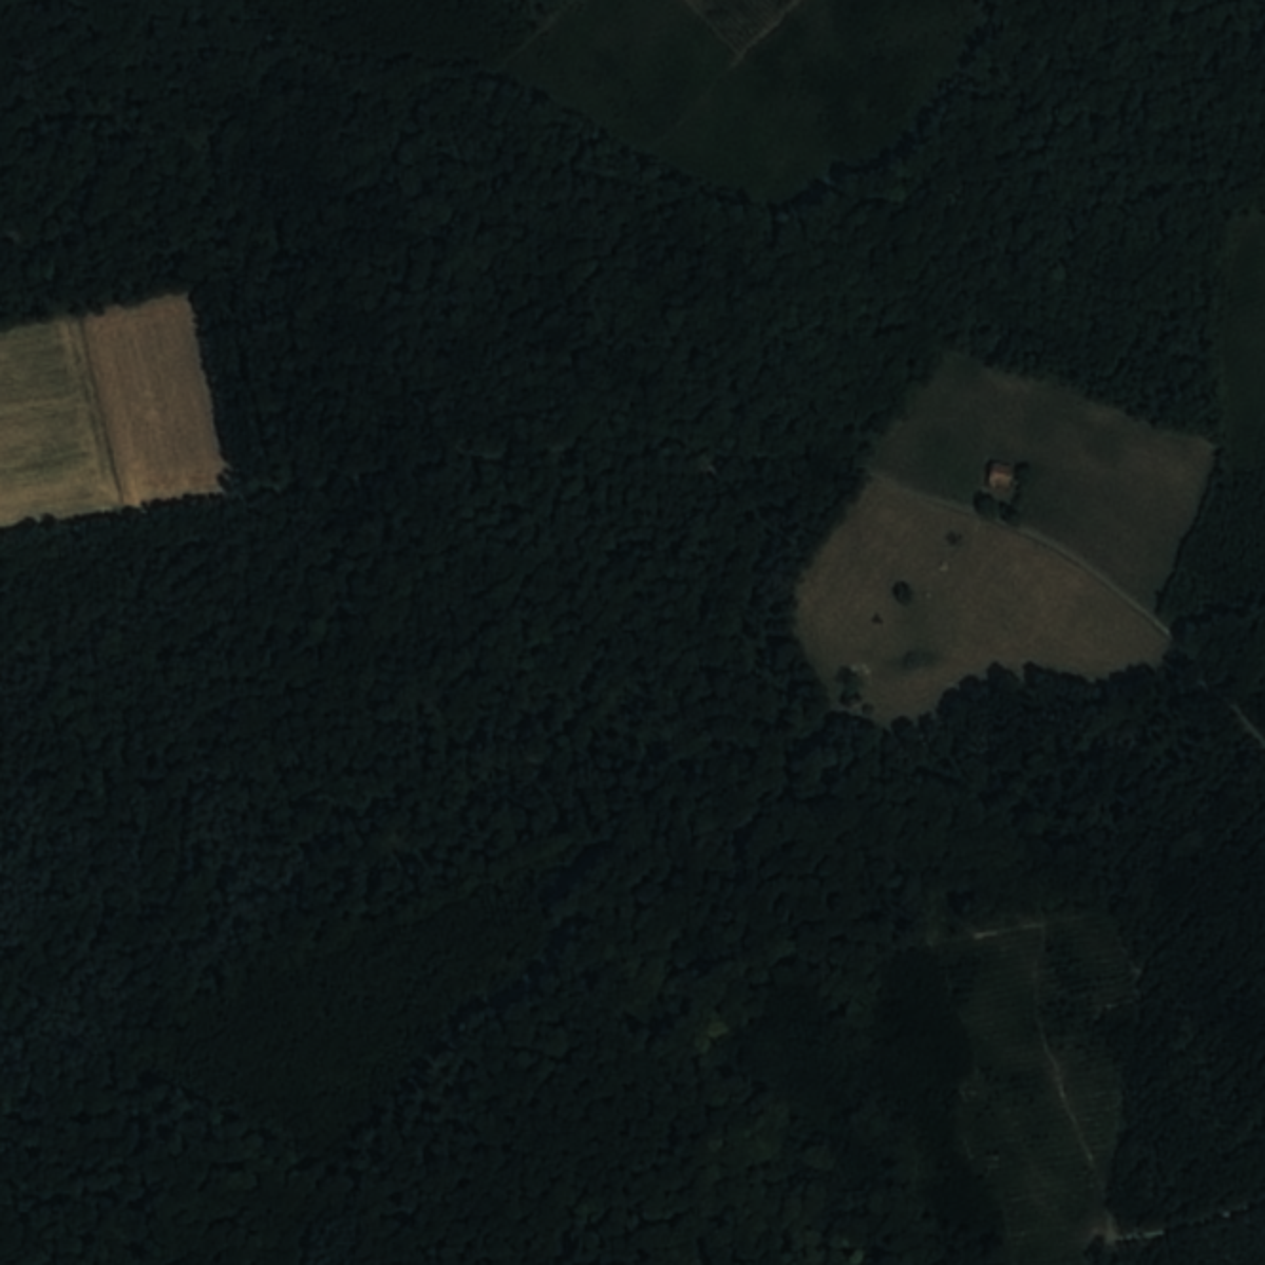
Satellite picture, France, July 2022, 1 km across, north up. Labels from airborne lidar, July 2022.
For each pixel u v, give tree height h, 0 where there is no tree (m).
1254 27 24
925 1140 7
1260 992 17
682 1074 29
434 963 10
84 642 12
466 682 27
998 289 24
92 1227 29
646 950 32
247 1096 10
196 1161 31
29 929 25
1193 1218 14
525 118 29
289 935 34
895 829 33
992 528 0
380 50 15
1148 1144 21
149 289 19
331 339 28
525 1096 29
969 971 8
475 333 29
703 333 21
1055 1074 0
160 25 30
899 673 0
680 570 25
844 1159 22
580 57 0
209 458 0
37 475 0
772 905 30
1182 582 8
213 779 11
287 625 27
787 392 25
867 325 23
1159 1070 18
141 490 0
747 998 29
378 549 23
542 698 26
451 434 27
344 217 29
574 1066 30
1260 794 12
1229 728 13
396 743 22
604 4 0
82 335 0
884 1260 31
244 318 26
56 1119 33
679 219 34
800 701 22
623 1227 29
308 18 15
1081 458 0
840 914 29
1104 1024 13
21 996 29
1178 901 20
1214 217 24
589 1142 31
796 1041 22
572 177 22
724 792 31
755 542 27
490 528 18
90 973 25
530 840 24
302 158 25
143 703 19
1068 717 26
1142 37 19
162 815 30
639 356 28
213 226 23
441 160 16
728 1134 31
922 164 27
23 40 23
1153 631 0
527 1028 30
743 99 0
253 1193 29
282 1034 11
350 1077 7
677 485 23
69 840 28
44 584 20
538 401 27
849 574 0
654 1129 33
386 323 29
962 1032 10
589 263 30
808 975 31
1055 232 25
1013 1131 0
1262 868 25
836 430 21
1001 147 20
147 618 26
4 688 26
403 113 29
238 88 28
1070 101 24
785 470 28
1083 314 20
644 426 26
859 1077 22
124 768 28
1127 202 15
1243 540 8
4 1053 28
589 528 22
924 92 0
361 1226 30
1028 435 0
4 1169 32
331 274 27
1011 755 25
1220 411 22
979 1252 26
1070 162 27
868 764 35
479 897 8
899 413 22
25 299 16
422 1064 7
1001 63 24
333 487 23
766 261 25
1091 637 0
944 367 20
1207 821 21
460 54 14
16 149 30
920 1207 33
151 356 0
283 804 31
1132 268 20
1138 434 0
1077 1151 0
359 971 11
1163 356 25
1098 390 24
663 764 32
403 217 25
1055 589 0
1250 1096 21
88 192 19
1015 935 0
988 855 37
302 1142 12
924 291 24
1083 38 20
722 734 29
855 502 25
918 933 38
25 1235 31
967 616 0
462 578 21
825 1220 22
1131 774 27
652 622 21
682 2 0
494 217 22
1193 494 0
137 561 20
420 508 23
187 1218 31
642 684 7
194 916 29
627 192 29
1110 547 0
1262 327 0
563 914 30
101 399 0
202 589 23
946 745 29
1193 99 21
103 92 27
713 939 20
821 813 34
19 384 0
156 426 0
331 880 30
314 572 30
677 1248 28
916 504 0
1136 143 20
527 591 26
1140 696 28
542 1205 32
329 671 31
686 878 31
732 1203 26
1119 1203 15
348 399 26
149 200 25
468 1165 28
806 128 0
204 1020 12
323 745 30
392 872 30
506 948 8
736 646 19
